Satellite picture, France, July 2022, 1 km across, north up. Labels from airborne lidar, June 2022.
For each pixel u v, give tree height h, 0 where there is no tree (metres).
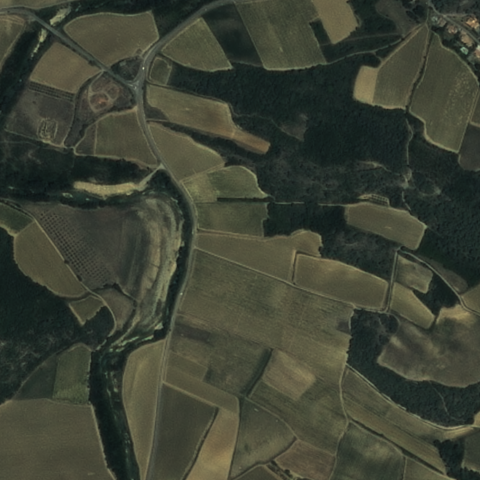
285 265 0
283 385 0
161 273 0
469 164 0
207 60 0
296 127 0
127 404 0
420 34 0
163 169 0
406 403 7
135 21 0
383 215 0
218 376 0
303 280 0
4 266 13
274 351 0
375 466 0
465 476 12
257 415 0
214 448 0
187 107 0
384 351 0
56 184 19
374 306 0
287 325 0
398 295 0
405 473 0
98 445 0
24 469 0
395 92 0
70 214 0
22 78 11
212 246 0
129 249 0
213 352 0
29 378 0
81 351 0
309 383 0
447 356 0
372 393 0
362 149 6
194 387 0
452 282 0
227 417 0
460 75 0
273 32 0
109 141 0
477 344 0
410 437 0
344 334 0
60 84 0
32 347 6
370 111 6
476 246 14
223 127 0
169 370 0
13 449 0
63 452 0
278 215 6
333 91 6
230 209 0
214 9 0
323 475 0
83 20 0
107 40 0
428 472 0
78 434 0
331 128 9
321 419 0
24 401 0
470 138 0
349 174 6
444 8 9
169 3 18
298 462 0
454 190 10
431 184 8
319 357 0
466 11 7
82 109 0
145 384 0
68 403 0
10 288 10
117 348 0
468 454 0
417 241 0
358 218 0
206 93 10
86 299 0
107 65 0
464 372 0
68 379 0
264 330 0
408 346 0
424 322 0
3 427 0
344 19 0
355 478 0
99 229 0
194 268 0
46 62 0
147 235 0
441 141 0
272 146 6
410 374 0
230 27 0
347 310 0
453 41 8
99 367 22
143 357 0
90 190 0
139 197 0
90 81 7
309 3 0
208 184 0
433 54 0
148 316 0
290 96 12
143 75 0
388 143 10
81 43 0
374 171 12
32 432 0
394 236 0
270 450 0
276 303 0
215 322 0
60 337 6
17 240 0
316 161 7
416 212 9
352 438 0
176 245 0
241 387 0
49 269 0
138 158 0
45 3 0
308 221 14
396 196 7
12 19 0
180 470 0
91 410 0
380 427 0
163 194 0
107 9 6
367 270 6
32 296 13
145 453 0
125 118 0
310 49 0
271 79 9
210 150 0
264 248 0
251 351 0
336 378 0
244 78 12
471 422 11
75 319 8
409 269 0
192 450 0
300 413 0
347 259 7
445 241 12
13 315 12
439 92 0
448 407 8
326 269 0
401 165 9
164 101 0
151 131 0
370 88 0
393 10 0
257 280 0
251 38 0
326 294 0
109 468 9
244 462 0
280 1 0
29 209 0
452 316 0
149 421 0
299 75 11
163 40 0
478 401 7
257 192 0
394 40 7
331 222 15
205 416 0
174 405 0
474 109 0
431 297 7
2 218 0
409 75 0
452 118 0
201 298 0
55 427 0
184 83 6
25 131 0
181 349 0
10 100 22
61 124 0
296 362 0
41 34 0
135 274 0
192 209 0
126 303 0
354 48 15
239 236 0
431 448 0
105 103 0
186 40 0
